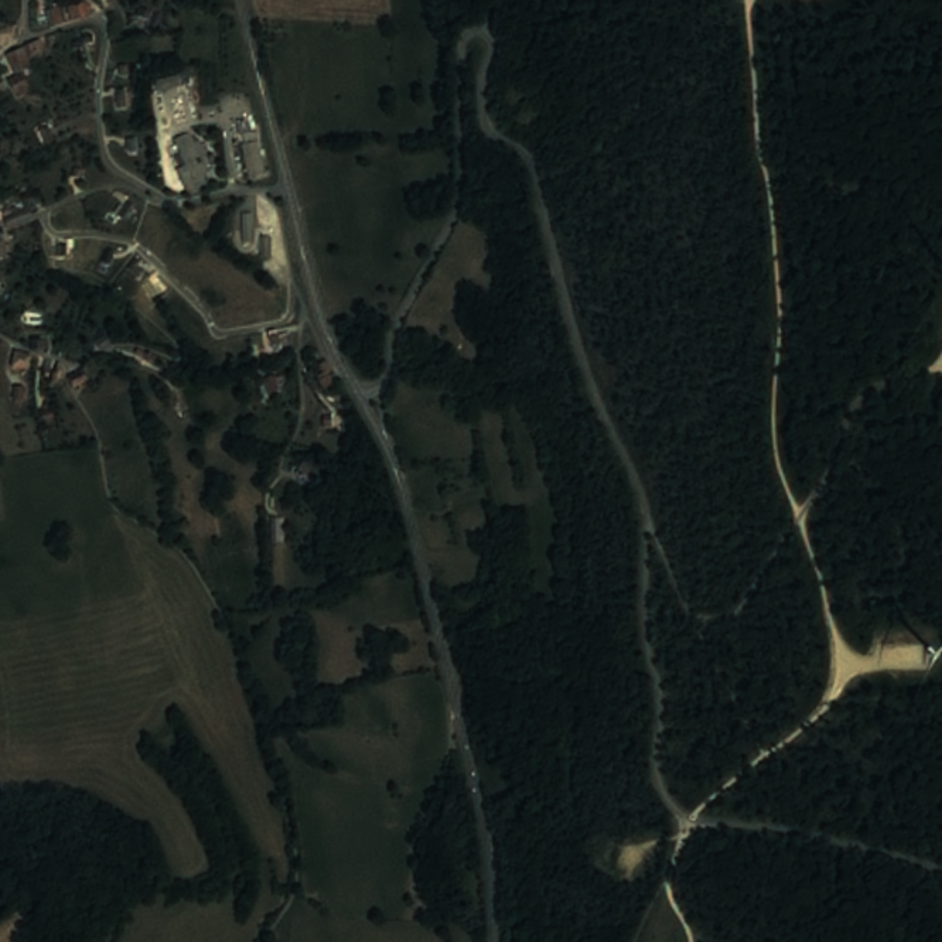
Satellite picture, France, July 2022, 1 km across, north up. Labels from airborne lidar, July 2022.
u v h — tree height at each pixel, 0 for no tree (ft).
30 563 0
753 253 51
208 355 64
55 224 0
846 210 72
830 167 84
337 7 0
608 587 50
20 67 0
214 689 0
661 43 56
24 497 0
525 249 69
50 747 0
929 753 60
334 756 0
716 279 49
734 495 49
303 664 36
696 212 28
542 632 60
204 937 0
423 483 0
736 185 56
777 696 62
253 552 0
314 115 0
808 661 62
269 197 25
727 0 53
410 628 0
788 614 73
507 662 59
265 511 37
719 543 59
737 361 49
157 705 0
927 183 77
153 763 64
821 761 70
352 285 0
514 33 54
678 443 44
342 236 0
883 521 74
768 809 57
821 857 73
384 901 0
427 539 0
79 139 32
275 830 0
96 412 0
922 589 63
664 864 56
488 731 77
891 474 74
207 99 0
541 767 47
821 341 70
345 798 0
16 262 24
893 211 74
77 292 54
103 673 0
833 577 57
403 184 0
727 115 57
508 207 75
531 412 53
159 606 0
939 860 53
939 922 77
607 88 56
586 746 71
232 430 23
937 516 68
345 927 0
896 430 76
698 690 51
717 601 43
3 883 89
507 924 23
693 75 41
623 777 78
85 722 0
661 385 38
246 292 0
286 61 0
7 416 0
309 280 0
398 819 0
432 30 49
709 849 86
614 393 0
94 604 0
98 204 0
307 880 0
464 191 61
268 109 0
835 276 78
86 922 64
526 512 46
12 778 0
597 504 46
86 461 0
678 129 52
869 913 67
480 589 39
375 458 53
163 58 31
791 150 62
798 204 68
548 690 77
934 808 70
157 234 0
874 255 75
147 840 91
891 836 74
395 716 0
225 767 0
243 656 40
